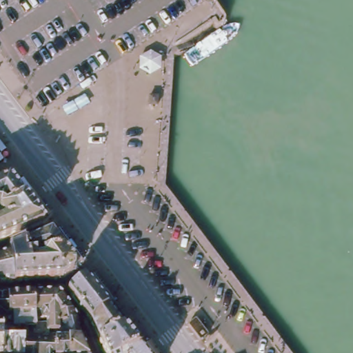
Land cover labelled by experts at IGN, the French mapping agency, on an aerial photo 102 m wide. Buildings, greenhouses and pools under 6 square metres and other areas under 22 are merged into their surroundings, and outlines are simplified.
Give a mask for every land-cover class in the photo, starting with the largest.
<instances>
[{"label":"impervious surface","instance_id":"1","mask_svg":"<svg viewBox=\"0 0 353 353\"><path fill-rule=\"evenodd\" d=\"M226 12L218 0H0V141L4 143V149L8 152V156L0 160V171L12 168L14 176L18 179L21 175L25 176L34 192L39 194L41 204L47 208V214L32 219L37 228L55 222L57 226L51 230L52 236L74 241L77 255L87 259L91 250L95 251V258L109 270L132 305L137 307L145 319L146 325L139 330V335L153 353H294L287 343L283 342L268 317L262 313L165 182L174 58L176 55L185 57V51L216 32V26L225 25ZM72 277L68 273L63 276H23L17 279L4 277L0 281V317L6 319V330H14L12 324L17 309L10 306L8 296L14 295L15 287L30 285L37 294H44L47 285H57L63 294L69 295V306L76 307L79 312L74 317V325L76 330L83 332L91 353H105L91 314L70 290L69 281Z\"/></svg>","mask_w":353,"mask_h":353},{"label":"water","instance_id":"2","mask_svg":"<svg viewBox=\"0 0 353 353\"><path fill-rule=\"evenodd\" d=\"M226 12L225 25L216 26V32L185 51V57L176 55L174 58L165 182L262 313L268 317L283 342L287 343L294 353H353V0H218Z\"/></svg>","mask_w":353,"mask_h":353},{"label":"building","instance_id":"3","mask_svg":"<svg viewBox=\"0 0 353 353\"><path fill-rule=\"evenodd\" d=\"M8 156V152L4 149V143L0 141V160ZM47 214V208L41 204L39 194L34 192L25 176L21 175L18 179L14 176L12 168L0 171V281L4 277L17 279L23 276H63L68 273L72 277L69 281L70 290L91 314L105 353H153L139 335V330L146 325L145 319L137 307L132 305L109 270L95 258V251L91 250L87 259L77 255L74 241L52 236L51 230L57 226L55 222L37 228L32 219ZM10 306L17 309L12 324L14 330H6V319L0 317V353H91L83 332L76 330L74 325V317L79 312L76 307L69 306V295L63 294L57 285H47L44 294H37L30 285L15 287L14 295L8 296Z\"/></svg>","mask_w":353,"mask_h":353}]
</instances>
